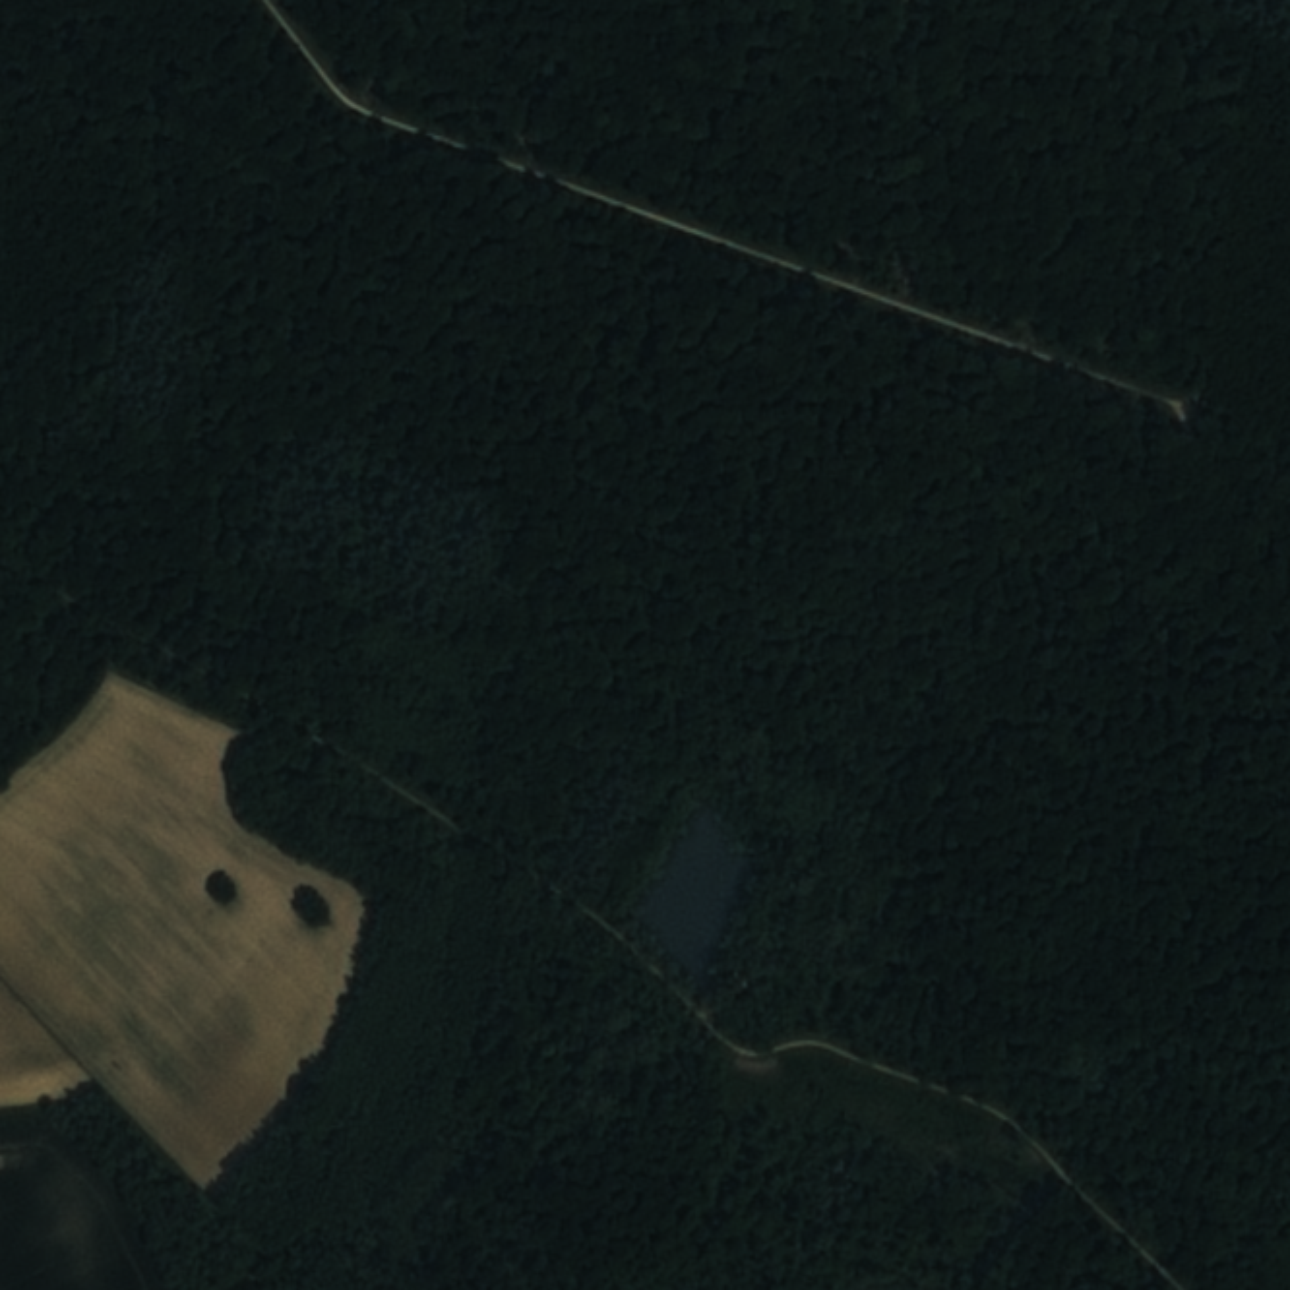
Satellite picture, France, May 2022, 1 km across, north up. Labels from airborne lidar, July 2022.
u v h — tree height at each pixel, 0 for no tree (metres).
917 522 21
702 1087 25
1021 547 24
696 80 25
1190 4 26
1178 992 25
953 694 29
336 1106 24
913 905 26
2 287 20
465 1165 7
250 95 29
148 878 0
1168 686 29
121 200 24
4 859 0
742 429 28
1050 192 26
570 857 27
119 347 35
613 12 28
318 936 0
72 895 0
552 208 29
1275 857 25
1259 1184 25
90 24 28
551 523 30
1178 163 22
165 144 28
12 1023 0
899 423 28
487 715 26
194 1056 0
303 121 24
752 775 24
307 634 25
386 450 24
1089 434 26
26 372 29
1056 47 24
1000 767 33
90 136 30
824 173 29
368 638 14
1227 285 17
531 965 21
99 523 28
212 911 0
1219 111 28
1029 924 21
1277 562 27
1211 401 15
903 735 28
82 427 23
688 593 23
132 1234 0
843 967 29
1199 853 18
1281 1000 22
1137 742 29
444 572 29
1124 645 27
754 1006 26
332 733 22
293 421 28
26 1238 0
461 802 23
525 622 24
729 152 30
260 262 31
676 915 0
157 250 25
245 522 26
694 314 30
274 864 0
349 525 29
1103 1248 29
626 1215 33
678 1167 19
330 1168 21
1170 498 31
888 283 10
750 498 26
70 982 0
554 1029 25
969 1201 23
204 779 0
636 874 19
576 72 29
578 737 19
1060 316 26
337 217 28
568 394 29
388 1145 22
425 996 23
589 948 22
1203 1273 28
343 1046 21
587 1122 20
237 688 17
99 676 18
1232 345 20
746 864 0
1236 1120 26
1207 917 25
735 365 29
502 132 28
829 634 17
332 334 26
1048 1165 0
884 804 26
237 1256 22
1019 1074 18
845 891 25
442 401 29
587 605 33
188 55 27
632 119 28
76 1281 0
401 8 28
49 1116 17
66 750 0
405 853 16
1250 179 19
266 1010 0
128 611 23
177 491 27
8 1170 0
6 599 23
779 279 20
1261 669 26
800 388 31
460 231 30
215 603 21
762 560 23
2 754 17
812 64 28
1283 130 18
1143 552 28
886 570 21
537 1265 30
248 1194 22
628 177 25
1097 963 30
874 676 22
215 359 9
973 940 30
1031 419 27
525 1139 18
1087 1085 7
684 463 30
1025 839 21
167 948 0
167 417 25
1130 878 27
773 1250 8
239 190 31
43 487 27
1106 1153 27
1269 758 23
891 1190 11
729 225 20
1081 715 26
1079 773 24
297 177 31
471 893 19
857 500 26
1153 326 27
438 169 32
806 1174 12
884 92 26
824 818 24
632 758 26
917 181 24
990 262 23
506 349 27
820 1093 8
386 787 13
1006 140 25
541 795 26
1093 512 27
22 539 26
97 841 0
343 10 29
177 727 0
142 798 0
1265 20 29
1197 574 31
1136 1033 23
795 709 28
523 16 27
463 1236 28
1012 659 32
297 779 30
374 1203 34
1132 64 27
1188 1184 31
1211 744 28
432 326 29
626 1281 16
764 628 19
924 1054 29
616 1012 27
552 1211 32
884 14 31
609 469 28
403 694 17
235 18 27
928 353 27
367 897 18
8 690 26
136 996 0
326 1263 25
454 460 27
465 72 27
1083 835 16
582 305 29
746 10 25
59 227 21
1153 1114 21
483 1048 23
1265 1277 26
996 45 22
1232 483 27
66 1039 0
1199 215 30
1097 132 23
